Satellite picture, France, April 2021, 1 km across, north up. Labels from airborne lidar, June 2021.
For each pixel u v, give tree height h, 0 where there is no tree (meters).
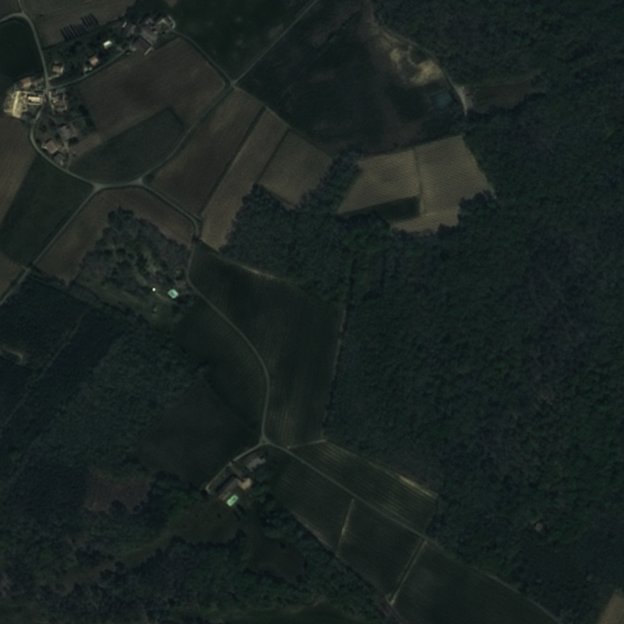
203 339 0
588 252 18
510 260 21
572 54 11
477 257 24
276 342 0
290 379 0
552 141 21
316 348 0
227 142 0
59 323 10
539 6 24
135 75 0
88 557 0
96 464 18
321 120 0
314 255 21
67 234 0
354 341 14
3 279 0
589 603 17
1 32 0
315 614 0
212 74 0
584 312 26
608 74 20
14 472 10
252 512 0
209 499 11
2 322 11
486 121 13
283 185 0
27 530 16
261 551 0
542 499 25
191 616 0
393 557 0
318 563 21
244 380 0
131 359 19
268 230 20
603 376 15
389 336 20
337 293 21
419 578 0
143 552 0
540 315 25
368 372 16
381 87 0
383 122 0
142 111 0
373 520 0
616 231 28
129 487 0
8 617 0
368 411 16
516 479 19
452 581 0
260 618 0
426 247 17
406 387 16
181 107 0
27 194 0
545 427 16
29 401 6
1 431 12
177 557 17
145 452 0
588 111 25
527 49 18
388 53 0
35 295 12
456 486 20
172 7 0
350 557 0
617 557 21
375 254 9
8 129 0
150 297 21
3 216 0
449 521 18
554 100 21
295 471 0
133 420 14
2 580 11
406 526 0
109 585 20
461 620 0
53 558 15
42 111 14
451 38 19
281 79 0
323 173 0
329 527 0
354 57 0
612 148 19
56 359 8
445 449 23
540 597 12
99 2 0
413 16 20
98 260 17
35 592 16
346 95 0
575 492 23
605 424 19
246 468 7
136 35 9
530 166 23
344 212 0
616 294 21
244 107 0
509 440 19
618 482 19
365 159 11
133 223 17
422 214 0
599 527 24
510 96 0
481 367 24
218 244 0
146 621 20
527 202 24
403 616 0
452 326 23
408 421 21
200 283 0
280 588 21
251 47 0
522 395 21
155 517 21
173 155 0
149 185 0
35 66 0
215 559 21
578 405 23
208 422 0
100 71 0
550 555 15
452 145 0
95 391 17
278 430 0
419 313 22
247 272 0
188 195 0
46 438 19
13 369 9
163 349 15
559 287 19
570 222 20
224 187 0
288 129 0
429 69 0
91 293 16
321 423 0
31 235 0
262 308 0
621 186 29
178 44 0
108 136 0
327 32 0
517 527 17
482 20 19
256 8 0
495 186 15
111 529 19
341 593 18
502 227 28
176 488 22
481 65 16
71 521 19
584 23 24
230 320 0
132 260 12
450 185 0
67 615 24
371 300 19
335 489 0
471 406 22
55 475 0
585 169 30
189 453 0
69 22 0
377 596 22
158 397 16
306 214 21
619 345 21
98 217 0
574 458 19
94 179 0
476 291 23
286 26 0
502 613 0
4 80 0
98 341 8
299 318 0
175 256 16
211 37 0
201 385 0
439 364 20
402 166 0
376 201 0
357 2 0
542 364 15
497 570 17
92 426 18
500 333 22
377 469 0
